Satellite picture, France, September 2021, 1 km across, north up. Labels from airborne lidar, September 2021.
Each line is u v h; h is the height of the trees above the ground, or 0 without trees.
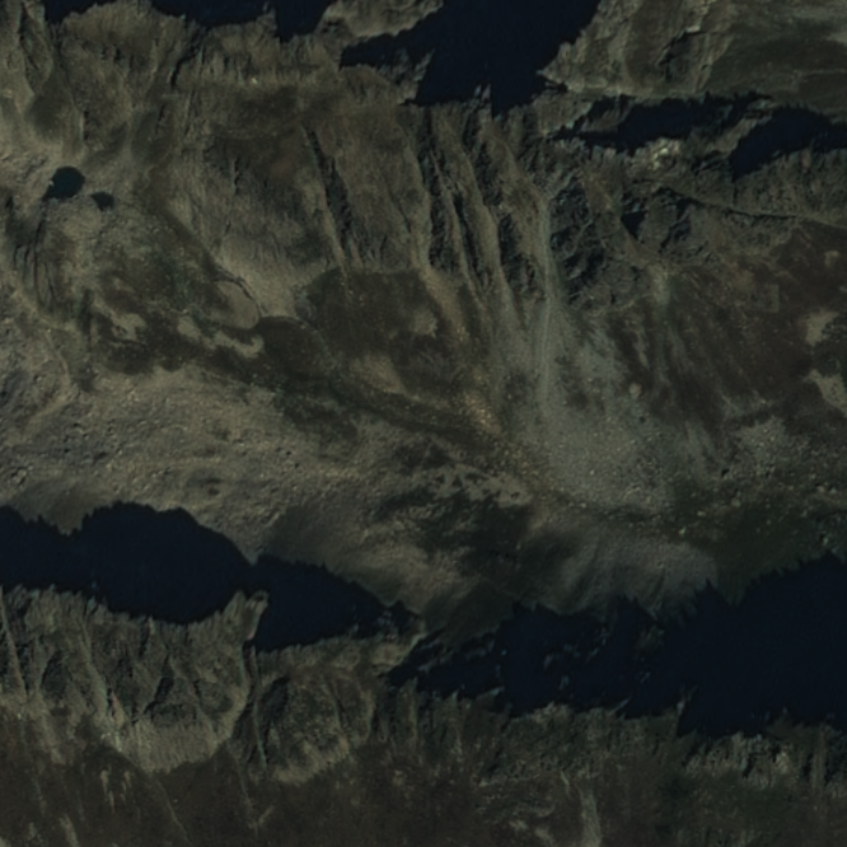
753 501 0
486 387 0
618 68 0
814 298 0
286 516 0
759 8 0
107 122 0
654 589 0
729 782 0
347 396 0
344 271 0
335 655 0
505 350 0
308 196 0
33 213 0
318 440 0
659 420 0
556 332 0
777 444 0
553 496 0
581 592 0
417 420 0
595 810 0
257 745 0
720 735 8
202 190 0
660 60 0
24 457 0
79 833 0
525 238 0
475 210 0
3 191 0
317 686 0
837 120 0
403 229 0
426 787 0
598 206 0
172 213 0
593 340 0
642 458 0
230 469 0
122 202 0
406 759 0
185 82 0
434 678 0
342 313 0
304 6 0
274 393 0
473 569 0
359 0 0
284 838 0
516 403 0
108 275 0
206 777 0
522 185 0
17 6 0
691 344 0
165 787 0
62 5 0
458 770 0
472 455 0
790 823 0
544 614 0
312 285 0
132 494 0
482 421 0
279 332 0
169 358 0
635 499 0
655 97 0
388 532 0
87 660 0
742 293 0
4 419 0
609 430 0
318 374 0
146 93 0
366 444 0
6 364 0
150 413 0
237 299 0
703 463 0
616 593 0
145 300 0
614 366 0
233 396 0
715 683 0
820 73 0
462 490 0
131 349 0
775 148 10
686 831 0
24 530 0
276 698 0
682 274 0
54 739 0
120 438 0
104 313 0
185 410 0
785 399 0
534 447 0
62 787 0
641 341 0
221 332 0
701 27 0
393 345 0
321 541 0
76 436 0
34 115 0
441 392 0
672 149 0
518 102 0
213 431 0
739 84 0
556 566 0
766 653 0
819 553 0
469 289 0
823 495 0
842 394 0
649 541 0
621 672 0
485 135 0
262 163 0
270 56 0
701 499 0
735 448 0
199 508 0
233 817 0
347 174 0
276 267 0
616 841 0
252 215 0
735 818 0
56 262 0
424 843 0
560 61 0
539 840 0
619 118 0
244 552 0
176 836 0
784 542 0
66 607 0
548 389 0
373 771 0
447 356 0
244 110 0
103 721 0
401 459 0
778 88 0
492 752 0
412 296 0
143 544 0
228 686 0
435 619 0
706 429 0
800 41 0
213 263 0
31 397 0
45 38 0
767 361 0
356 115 0
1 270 0
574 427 0
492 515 0
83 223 0
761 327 0
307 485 0
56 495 0
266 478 0
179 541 0
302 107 0
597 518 0
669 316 0
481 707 0
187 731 0
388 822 0
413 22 0
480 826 0
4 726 0
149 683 0
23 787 0
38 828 0
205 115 0
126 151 0
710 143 11
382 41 0
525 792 0
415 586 0
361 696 0
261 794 0
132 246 0
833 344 0
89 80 0
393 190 0
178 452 0
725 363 0
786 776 0
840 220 0
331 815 0
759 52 0
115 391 0
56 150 0
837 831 0
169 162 0
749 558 0
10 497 0
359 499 0
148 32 0
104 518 0
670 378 0
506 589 0
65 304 0
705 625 0
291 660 0
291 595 0
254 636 0
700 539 0
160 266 0
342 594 0
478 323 0
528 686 0
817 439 0
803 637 0
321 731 0
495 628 0
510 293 0
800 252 0
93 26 0
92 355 0
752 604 0
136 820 0
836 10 0
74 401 0
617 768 0
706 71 0
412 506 0
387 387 0
